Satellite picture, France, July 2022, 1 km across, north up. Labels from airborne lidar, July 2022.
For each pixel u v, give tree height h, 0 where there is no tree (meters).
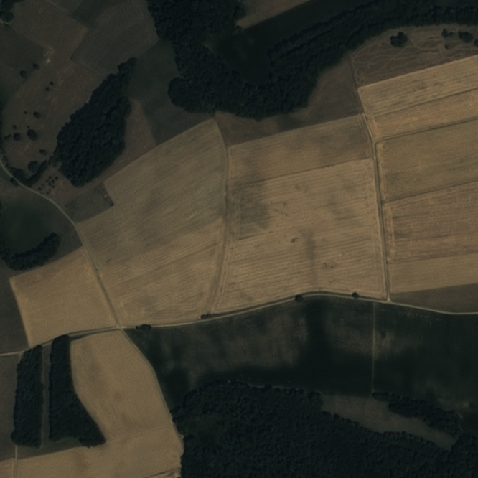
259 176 0
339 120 0
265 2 0
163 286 0
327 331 0
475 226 0
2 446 0
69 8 0
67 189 0
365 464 23
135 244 0
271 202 0
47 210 0
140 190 0
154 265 0
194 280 0
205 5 29
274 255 0
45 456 0
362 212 0
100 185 0
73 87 0
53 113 0
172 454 0
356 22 22
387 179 0
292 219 0
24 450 0
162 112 0
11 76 0
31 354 15
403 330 0
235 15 25
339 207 0
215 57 25
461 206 0
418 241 0
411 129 0
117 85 21
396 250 0
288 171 0
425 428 0
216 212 0
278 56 25
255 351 0
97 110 25
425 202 0
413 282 0
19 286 0
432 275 0
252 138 0
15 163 0
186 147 0
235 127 0
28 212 0
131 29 0
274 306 0
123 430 0
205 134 0
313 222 0
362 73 0
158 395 0
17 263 22
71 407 20
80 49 0
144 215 0
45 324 0
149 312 0
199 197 0
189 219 0
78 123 20
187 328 0
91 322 0
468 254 0
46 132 0
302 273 0
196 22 27
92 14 0
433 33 0
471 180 0
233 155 0
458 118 0
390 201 0
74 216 0
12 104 0
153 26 0
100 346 0
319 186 0
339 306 0
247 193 0
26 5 0
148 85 0
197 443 18
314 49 23
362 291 0
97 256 0
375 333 0
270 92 22
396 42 16
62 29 0
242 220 0
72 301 0
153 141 0
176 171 0
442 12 19
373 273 0
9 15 6
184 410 17
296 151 0
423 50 0
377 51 0
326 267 0
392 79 0
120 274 0
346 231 0
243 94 26
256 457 20
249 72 0
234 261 0
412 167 0
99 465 0
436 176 0
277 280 0
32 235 0
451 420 6
